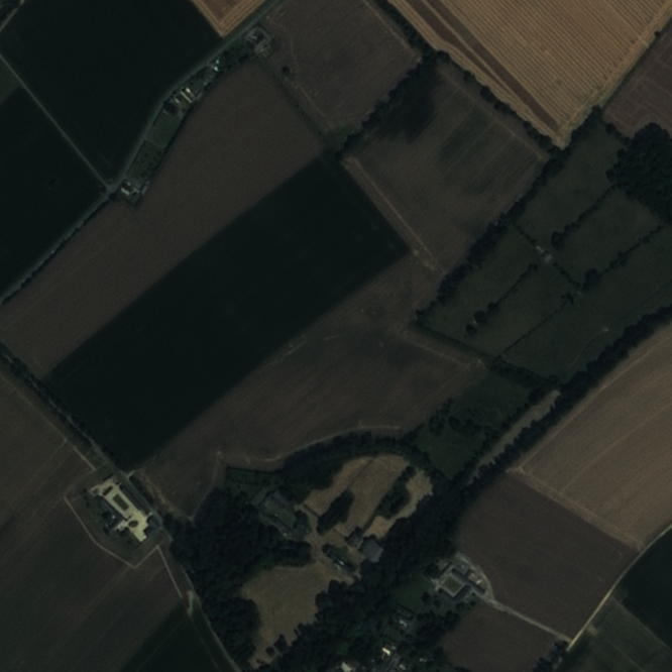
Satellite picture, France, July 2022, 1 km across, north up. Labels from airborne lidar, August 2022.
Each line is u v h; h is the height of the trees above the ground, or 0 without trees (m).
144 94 0
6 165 0
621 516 0
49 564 0
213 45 0
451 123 0
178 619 0
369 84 0
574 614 0
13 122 0
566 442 0
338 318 0
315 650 16
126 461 0
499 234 25
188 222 0
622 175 18
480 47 0
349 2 0
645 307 0
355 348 0
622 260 9
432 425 8
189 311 0
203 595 28
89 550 0
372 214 0
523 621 0
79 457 0
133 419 0
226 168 0
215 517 34
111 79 0
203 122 0
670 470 0
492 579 0
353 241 0
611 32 0
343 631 22
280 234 0
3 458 0
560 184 0
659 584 0
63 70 0
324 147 0
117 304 0
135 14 0
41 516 0
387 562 34
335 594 20
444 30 0
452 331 0
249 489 0
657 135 26
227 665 0
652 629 0
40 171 0
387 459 0
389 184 0
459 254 0
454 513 25
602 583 0
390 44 0
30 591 0
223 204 0
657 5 0
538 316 0
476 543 0
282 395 0
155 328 0
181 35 0
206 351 0
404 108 0
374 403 0
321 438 0
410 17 0
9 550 0
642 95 0
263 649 0
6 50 0
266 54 0
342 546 0
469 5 0
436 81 0
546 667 23
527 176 0
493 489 0
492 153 0
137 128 0
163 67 0
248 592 0
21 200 0
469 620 0
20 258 0
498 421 0
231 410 0
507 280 0
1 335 0
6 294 0
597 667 0
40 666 0
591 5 0
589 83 0
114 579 0
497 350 0
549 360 0
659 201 21
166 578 0
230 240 0
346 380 0
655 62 0
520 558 0
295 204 0
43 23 0
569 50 0
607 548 0
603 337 0
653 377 0
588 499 0
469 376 0
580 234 0
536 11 0
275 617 0
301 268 0
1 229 0
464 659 0
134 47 0
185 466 0
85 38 0
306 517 9
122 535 10
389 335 0
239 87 0
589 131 15
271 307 0
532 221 0
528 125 13
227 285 0
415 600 0
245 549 27
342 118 0
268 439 0
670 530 0
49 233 0
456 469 0
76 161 0
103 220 0
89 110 0
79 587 0
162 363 0
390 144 0
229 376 0
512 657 0
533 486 0
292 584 0
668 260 0
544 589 0
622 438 0
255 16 0
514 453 22
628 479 0
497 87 0
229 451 0
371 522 0
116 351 0
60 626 0
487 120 0
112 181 0
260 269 0
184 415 0
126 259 0
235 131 0
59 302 0
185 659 0
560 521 0
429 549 28
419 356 0
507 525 0
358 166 0
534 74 0
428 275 0
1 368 0
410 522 9
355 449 28
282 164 0
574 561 0
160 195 0
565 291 0
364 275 0
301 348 0
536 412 0
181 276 0
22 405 0
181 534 30
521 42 0
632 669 0
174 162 0
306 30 0
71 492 0
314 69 0
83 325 0
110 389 0
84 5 0
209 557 20
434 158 0
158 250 0
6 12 8
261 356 0
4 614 0
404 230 0
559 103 0
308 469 26
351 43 0
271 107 0
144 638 0
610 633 0
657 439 0
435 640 11
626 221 0
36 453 0
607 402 0
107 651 0
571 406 17
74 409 0
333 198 0
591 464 0
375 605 7
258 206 0
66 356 0
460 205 0
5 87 0
